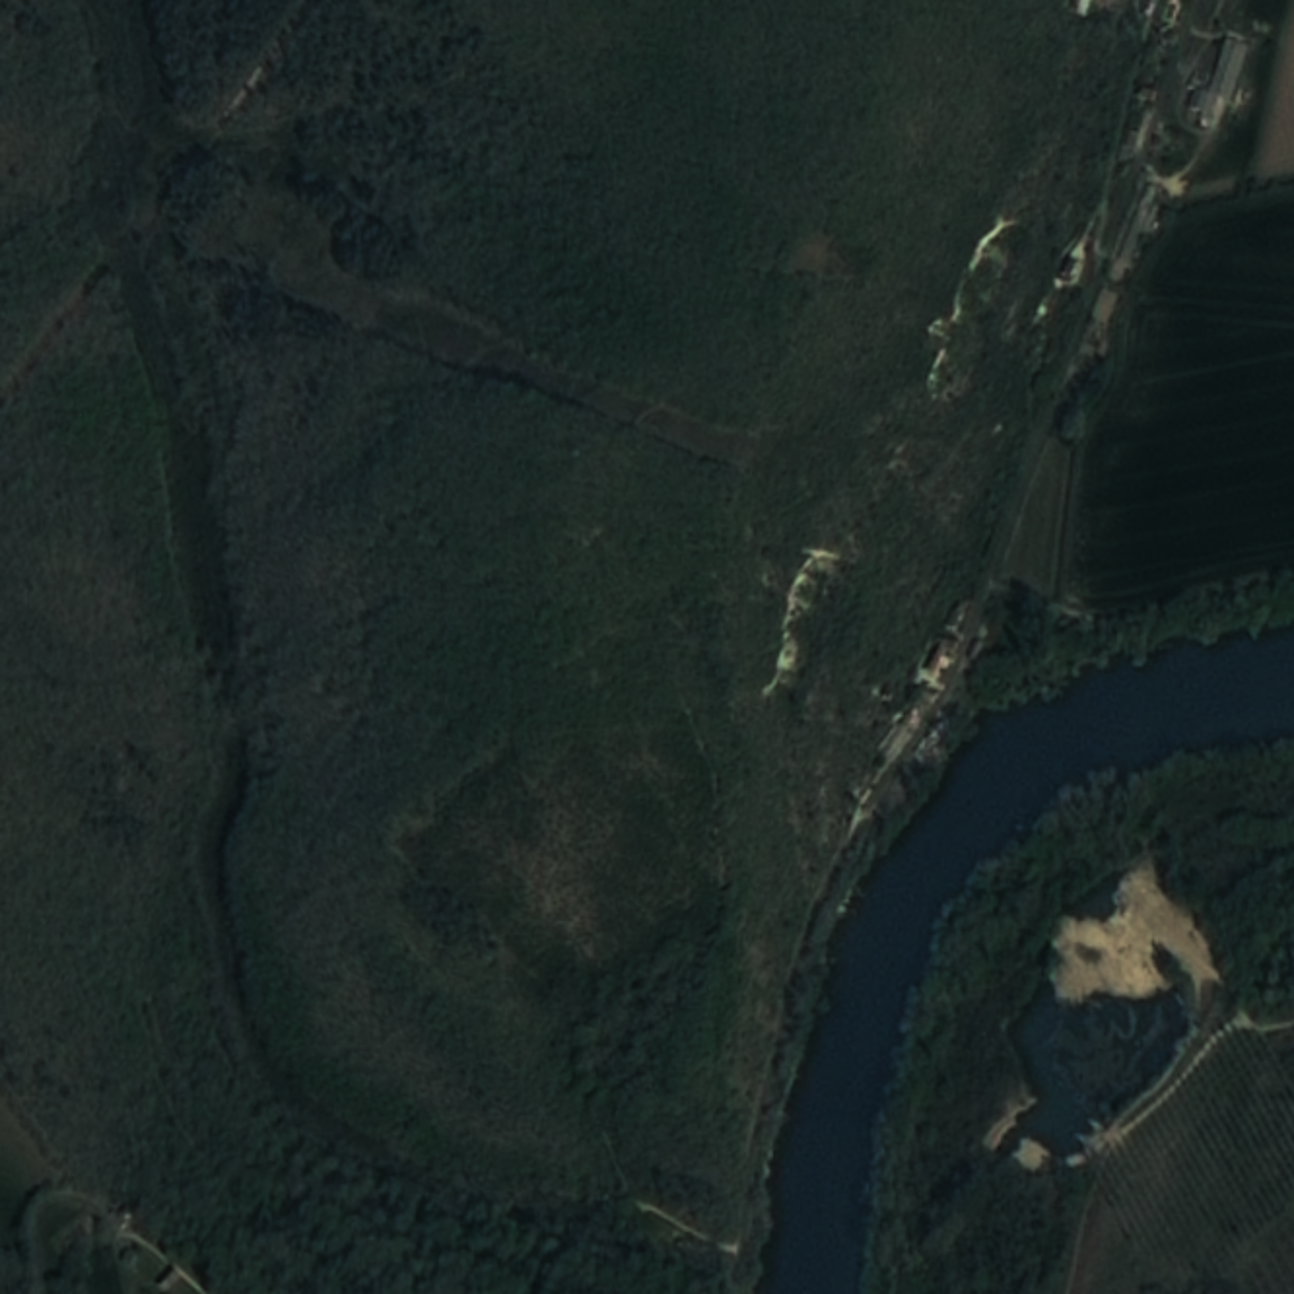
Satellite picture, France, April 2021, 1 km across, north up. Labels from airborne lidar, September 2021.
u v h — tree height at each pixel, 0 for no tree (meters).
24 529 17
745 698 7
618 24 12
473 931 9
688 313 14
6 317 20
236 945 18
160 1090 13
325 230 18
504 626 9
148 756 12
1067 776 0
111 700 15
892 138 11
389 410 13
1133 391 0
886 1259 35
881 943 0
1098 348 7
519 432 15
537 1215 10
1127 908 0
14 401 17
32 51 13
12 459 18
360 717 8
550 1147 14
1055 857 18
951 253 10
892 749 0
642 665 11
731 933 12
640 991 16
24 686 17
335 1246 21
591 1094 18
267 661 14
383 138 10
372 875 13
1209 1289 9
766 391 9
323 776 14
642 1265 26
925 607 12
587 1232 22
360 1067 15
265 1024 18
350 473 11
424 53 13
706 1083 10
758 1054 16
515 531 13
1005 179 11
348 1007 11
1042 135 11
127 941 21
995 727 0
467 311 13
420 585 10
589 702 7
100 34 19
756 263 10
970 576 7
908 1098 29
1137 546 0
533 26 12
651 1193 19
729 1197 12
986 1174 18
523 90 9
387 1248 25
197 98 22
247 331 23
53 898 20
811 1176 0
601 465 15
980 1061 14
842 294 8
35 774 14
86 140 17
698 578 14
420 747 13
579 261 17
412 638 10
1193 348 0
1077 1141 0
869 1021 0
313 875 11
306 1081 18
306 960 15
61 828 12
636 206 12
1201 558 0
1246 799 10
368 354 14
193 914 22
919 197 17
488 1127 9
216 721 22
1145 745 0
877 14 12
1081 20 6
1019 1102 0
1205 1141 23
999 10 26
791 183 14
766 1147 13
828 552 22
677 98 12
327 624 12
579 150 14
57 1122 10
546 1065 14
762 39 12
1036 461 0
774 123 11
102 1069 16
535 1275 25
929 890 0
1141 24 23
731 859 11
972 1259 18
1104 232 0
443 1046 11
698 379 14
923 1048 10
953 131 12
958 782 0
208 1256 20
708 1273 28
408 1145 23
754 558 13
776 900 17
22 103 14
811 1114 0
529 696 10
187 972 21
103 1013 21
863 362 8
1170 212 11
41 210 16
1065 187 7
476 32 11
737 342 12
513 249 13
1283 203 0
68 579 12
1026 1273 14
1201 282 0
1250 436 0
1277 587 16
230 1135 18
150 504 18
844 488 12
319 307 0
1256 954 29
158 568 19
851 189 15
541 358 13
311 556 11
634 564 13
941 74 12
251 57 16
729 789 9
